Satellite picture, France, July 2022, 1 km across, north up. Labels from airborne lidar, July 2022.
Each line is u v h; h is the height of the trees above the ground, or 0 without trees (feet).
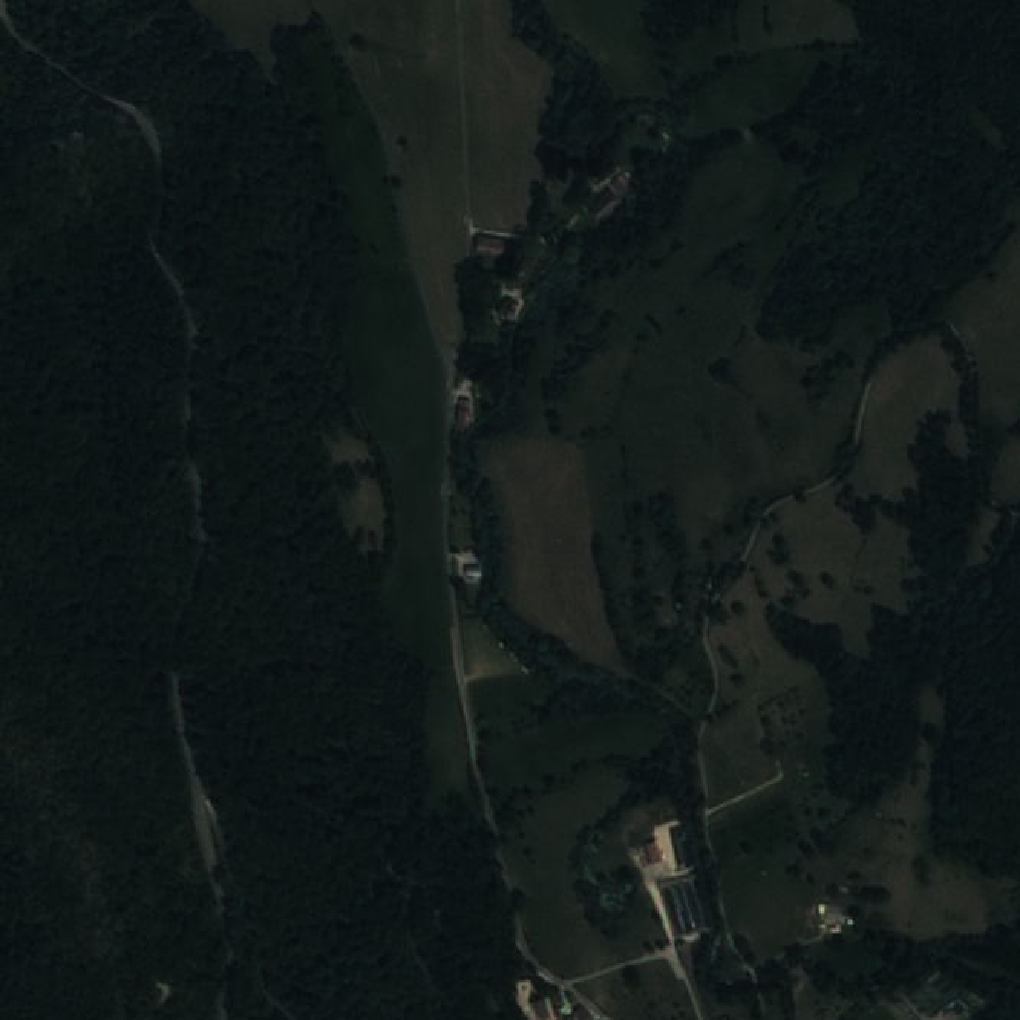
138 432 67
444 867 87
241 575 80
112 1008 71
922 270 77
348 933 73
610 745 0
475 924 74
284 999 83
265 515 75
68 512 87
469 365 51
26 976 73
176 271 47
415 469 0
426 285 0
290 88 88
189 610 81
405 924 83
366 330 0
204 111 97
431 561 0
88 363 71
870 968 0
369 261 0
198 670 88
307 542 78
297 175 92
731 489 0
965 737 82
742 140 42
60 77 52
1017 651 78
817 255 59
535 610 0
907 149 81
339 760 102
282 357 86
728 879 0
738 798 0
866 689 87
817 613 0
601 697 42
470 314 76
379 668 75
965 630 75
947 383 0
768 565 0
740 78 0
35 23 95
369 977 64
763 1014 40
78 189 58
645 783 68
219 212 81
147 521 71
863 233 51
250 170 77
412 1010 71
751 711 0
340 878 82
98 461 86
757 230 0
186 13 80
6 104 104
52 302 89
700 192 0
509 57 0
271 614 75
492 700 0
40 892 54
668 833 0
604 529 0
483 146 0
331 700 95
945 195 64
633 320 0
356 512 0
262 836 69
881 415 0
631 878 43
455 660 0
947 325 45
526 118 0
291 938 66
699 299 0
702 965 62
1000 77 75
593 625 0
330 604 82
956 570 29
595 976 0
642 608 27
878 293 72
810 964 24
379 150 0
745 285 33
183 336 52
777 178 0
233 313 109
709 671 25
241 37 0
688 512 0
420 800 88
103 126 40
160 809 76
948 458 43
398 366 0
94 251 89
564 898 0
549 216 36
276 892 79
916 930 0
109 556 71
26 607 90
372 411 0
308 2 0
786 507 0
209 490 72
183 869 48
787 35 0
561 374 21
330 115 0
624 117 70
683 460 0
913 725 60
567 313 56
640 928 0
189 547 69
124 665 108
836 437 0
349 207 66
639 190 26
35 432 86
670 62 51
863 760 67
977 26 69
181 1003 45
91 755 76
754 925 0
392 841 77
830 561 0
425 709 50
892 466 0
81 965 67
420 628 0
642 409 0
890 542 0
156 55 83
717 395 0
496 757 0
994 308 0
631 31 0
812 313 78
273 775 86
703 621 21
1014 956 75
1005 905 0
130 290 69
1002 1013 69
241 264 103
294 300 86
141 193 81
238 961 48
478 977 78
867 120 70
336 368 95
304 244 94
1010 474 0
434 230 0
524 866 0
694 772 52
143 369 51
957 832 47
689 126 46
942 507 48
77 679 83
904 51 36
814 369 21
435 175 0
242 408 81
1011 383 0
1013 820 98
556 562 0
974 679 85
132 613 76
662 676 34
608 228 65
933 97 51
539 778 0
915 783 19
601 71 43
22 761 43
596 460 0
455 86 0
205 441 79
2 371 83
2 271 78
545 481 0
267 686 70
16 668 55
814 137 0
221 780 89
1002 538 55
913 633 46
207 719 77
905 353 0
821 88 67
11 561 79
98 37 86
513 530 0
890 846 0
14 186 66
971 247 44
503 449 0
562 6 0
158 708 96
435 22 0
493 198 0
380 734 45
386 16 0
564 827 0
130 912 64
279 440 86
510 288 0
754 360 0
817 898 0
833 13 0
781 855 0
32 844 54
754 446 0
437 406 0
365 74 0
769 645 0
